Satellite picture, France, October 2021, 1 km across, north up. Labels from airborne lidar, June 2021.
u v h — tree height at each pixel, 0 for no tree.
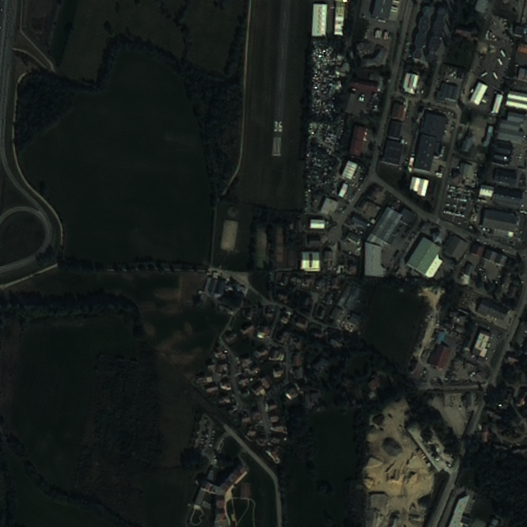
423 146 0
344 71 0
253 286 0
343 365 7
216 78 12
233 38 0
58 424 0
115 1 0
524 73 0
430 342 0
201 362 0
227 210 0
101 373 0
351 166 0
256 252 14
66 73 0
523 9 0
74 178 0
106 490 0
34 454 0
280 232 0
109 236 0
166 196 0
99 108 0
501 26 0
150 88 0
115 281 0
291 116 0
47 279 0
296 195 0
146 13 0
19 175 0
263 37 0
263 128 0
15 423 0
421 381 0
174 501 0
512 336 0
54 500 14
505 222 0
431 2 16
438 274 0
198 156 0
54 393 0
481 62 0
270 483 0
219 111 13
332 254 0
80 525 0
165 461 0
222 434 0
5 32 0
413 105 0
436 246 0
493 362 0
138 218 0
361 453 6
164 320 0
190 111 0
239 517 0
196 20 0
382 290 0
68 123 0
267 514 0
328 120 9
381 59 0
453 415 0
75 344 0
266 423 0
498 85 0
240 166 0
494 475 13
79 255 0
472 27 11
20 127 10
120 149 0
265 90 0
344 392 10
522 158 0
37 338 0
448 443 18
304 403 13
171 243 0
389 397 15
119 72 0
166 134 0
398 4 0
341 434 0
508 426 14
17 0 0
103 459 0
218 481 0
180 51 0
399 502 0
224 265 0
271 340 0
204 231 0
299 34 0
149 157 0
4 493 14
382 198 0
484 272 0
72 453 0
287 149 0
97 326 0
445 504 0
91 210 0
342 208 0
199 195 0
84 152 0
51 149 0
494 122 0
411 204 0
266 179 0
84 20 0
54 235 0
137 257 0
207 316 0
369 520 0
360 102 0
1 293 0
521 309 0
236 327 0
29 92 12
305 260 0
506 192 0
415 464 0
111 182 0
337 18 0
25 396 0
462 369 0
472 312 6
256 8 0
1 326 12
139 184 0
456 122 0
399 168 0
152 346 0
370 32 0
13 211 0
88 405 0
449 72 0
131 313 14
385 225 0
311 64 7
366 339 0
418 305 0
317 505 0
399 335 0
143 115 0
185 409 0
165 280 0
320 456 0
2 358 0
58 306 18
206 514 0
